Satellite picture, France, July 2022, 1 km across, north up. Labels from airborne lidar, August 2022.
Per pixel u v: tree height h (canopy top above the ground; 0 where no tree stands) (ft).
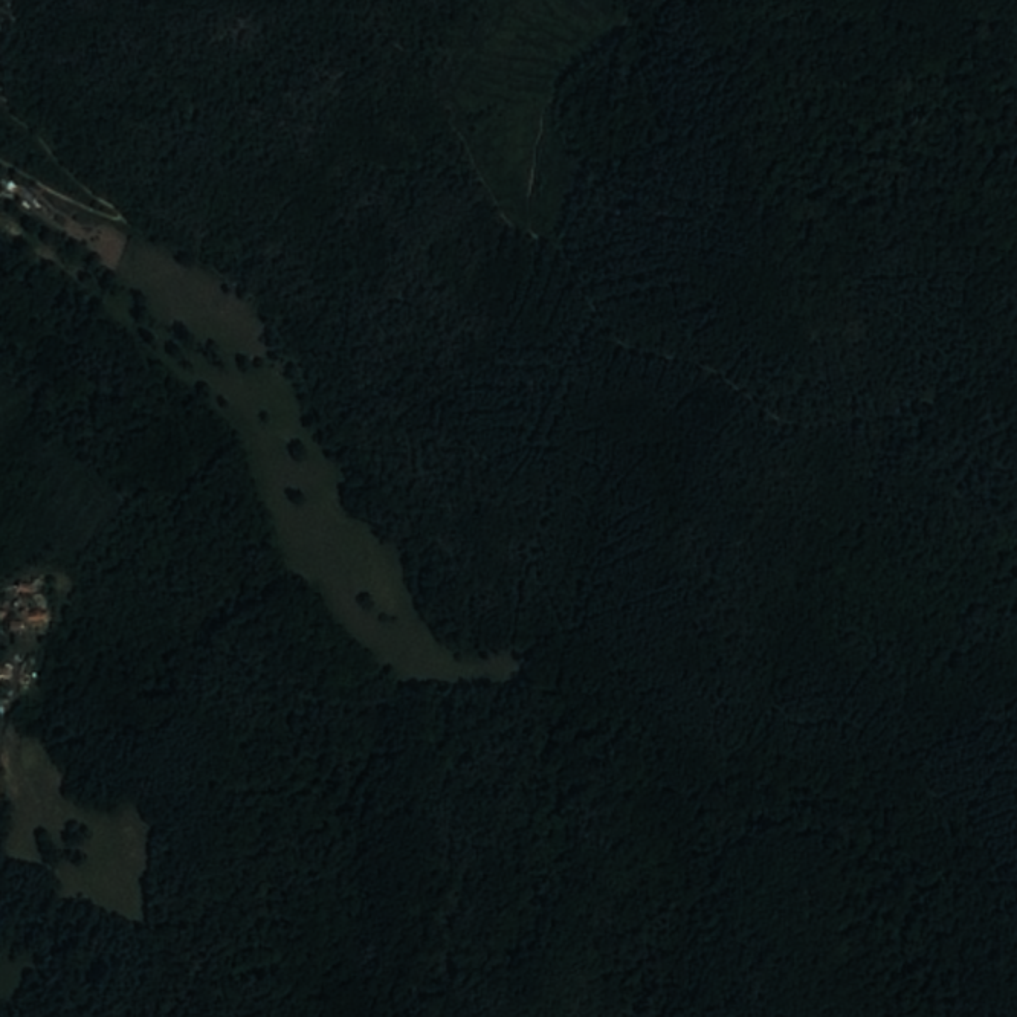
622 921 45
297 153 26
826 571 67
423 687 69
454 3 56
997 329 53
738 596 30
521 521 47
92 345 82
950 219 32
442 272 43
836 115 39
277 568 46
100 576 37
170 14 39
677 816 65
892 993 27
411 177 49
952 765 59
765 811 63
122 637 69
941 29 66
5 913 68
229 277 44
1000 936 50
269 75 55
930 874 59
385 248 31
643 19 28
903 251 56
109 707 66
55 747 60
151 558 53
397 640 0
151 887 84
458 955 82
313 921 73
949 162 40
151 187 25
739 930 70
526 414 54
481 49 0
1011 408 58
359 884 55
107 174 28
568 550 61
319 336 55
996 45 60
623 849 66
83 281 41
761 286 37
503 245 54
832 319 34
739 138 39
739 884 73
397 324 60
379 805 67
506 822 80
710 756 55
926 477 44
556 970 44
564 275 60
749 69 56
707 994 79
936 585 41
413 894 47
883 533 33
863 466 28
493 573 54
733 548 51
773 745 52
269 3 53
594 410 46
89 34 46
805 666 62
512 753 65
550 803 57
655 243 60
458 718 78
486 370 43
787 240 51
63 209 0
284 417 0
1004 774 61
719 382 40
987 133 25
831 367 41
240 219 26
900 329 54
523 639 65
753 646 58
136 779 58
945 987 68
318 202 32
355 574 0
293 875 63
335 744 74
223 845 47
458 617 71
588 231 31
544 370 49
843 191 73
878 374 34
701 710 61
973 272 40
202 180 34
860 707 65
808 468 48
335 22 35
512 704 66
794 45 64
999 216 67
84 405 28
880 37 63
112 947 89
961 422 40
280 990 72
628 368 52
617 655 58
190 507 60
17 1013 49
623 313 41
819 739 59
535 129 0
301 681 58
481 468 57
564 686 59
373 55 45
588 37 0
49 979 85
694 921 55
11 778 0
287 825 58
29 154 22
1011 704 50
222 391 0
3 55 57
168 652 73
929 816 29
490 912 72
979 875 73
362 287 47
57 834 0
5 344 32
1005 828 72
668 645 38
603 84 39
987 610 52
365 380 50
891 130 61
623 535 63
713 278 39
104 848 0
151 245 41
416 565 60
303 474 0
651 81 46
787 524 46
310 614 52
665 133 21
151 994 71
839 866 43
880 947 69
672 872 53
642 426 62
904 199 44
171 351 66
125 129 30
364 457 45
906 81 77
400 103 30
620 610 54
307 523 0
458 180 56
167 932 66
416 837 48
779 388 48
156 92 34
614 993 86
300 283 59
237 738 52
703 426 62
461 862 66
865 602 45
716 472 47
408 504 26
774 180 43
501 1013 77
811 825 67
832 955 71
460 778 63
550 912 74
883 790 67
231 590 25
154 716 47
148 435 66
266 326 56
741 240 55
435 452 46
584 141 40
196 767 65
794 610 52
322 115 39
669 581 62
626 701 62
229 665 68
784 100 47
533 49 0
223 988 87
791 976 55
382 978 31
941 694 48
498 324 56
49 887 48
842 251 57
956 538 36
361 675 61
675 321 53
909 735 64
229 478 77
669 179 71
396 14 39
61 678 48
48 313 61
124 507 29
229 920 47
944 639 35
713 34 38
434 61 33
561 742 77
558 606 58
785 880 72
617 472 57
